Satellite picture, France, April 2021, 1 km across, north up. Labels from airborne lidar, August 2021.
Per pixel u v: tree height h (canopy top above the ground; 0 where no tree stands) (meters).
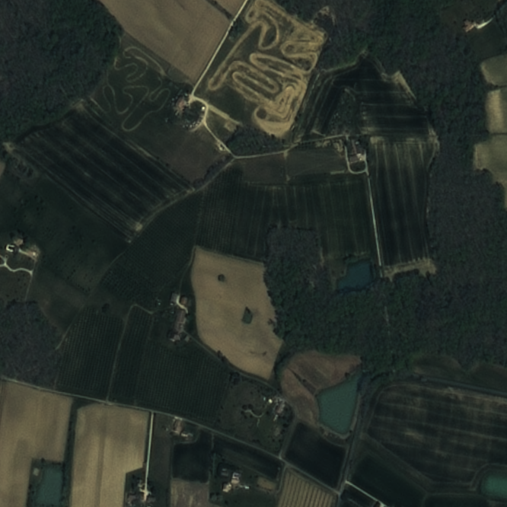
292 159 0
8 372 18
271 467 0
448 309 20
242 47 0
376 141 0
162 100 0
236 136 9
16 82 15
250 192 0
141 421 0
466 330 25
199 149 0
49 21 16
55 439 0
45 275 0
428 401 0
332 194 0
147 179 0
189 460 0
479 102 13
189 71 0
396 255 0
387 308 24
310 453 0
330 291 22
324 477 0
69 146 0
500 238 18
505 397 0
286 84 0
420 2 24
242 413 5
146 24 0
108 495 0
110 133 0
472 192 19
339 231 0
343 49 14
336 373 0
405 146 0
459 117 16
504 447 0
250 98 0
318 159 0
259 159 0
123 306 0
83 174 0
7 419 0
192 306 0
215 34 0
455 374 0
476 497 0
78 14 22
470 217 17
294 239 19
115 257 0
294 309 23
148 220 0
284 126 0
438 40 21
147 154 0
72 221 0
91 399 0
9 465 0
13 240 14
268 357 0
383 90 0
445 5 15
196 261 0
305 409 0
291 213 0
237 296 0
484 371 0
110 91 0
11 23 15
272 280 27
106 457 0
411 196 0
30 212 0
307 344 20
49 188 0
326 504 0
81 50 20
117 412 0
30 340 20
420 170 0
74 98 17
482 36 0
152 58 0
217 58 0
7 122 14
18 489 0
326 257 0
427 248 0
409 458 0
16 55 18
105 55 15
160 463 0
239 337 0
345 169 0
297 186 0
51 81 20
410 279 21
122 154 0
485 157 0
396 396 0
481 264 18
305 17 15
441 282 17
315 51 0
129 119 0
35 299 0
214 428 0
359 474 0
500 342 16
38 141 0
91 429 0
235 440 0
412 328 23
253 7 0
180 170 0
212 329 0
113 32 21
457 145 17
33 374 15
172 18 0
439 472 0
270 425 0
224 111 0
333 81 0
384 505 0
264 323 0
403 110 0
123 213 0
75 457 0
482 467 0
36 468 0
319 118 0
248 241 0
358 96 0
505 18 14
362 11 14
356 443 0
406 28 20
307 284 22
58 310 0
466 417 0
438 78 18
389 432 0
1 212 0
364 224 0
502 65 0
